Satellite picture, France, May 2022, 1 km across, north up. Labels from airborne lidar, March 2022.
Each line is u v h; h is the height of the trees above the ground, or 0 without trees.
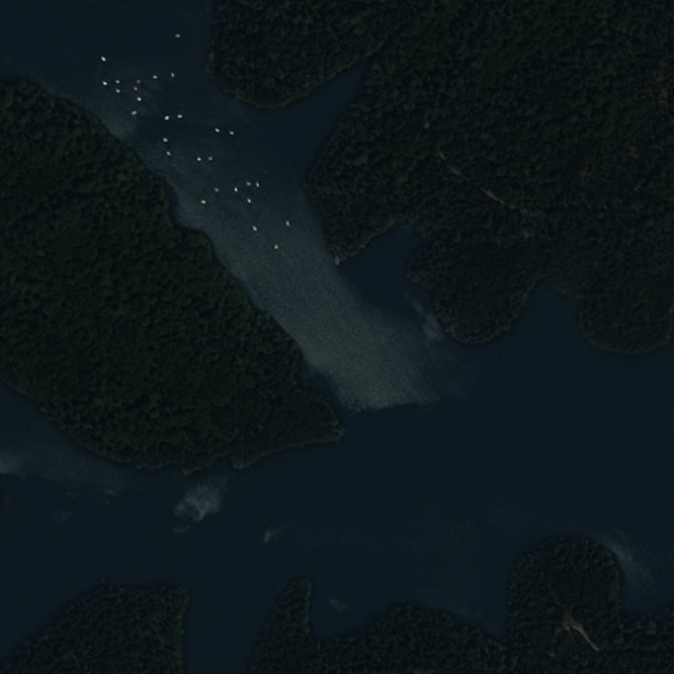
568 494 0
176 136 0
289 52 30
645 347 9
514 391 0
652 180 22
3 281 28
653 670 16
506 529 0
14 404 0
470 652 19
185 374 21
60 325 11
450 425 0
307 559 0
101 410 15
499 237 24
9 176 13
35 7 0
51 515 0
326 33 34
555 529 0
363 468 0
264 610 0
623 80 17
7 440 0
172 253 22
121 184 30
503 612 0
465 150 24
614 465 0
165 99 0
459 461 0
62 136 30
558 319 0
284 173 0
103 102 0
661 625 31
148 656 21
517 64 16
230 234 0
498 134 31
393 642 14
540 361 0
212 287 26
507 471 0
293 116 0
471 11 33
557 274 20
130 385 15
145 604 18
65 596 0
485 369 0
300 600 14
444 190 15
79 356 15
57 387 11
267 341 24
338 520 0
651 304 8
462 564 0
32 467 0
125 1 0
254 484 0
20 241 29
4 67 0
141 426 20
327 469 0
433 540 0
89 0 0
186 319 19
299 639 16
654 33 19
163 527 0
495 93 27
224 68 18
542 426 0
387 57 23
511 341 0
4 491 0
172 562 0
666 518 0
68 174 12
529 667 14
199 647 0
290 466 0
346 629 0
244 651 0
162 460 9
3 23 0
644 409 0
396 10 32
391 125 31
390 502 0
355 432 0
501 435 0
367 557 0
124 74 0
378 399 0
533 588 10
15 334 11
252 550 0
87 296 21
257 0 21
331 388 0
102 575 0
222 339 25
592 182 14
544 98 16
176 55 0
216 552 0
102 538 0
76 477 0
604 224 16
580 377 0
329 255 0
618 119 13
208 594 0
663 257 14
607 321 9
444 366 0
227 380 22
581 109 22
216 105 0
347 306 0
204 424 22
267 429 14
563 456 0
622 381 0
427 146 21
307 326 0
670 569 0
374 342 0
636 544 0
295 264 0
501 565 0
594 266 18
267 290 0
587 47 30
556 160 13
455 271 15
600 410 0
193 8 0
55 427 0
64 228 13
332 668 9
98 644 29
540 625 21
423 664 18
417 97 27
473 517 0
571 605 10
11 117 19
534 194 27
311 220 0
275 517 0
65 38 0
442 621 23
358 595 0
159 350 17
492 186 22
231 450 11
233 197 0
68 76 0
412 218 34
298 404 19
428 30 17
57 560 0
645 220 19
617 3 23
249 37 14
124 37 0
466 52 26
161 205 21
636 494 0
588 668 12
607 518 0
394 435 0
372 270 0
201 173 0
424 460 0
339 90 0
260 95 16
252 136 0
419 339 0
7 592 0
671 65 14
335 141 12
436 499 0
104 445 17
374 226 8
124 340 18
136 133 0
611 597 22
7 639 0
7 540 0
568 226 23
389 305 0
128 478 0
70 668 27
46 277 15
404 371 0
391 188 23
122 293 15
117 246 12
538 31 16
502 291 13
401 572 0
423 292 0
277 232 0
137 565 0
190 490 0
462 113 24
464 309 9
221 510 0
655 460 0
